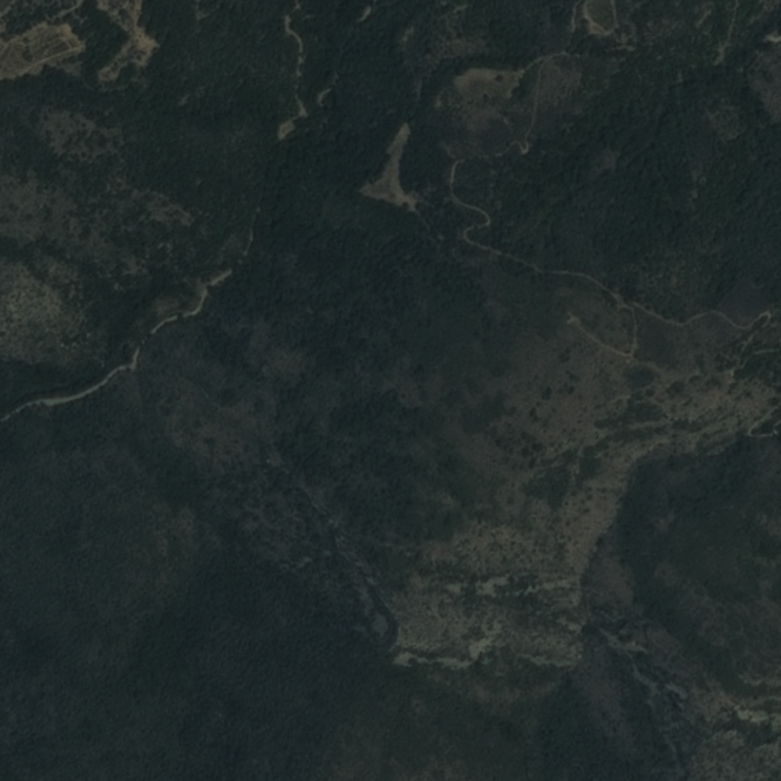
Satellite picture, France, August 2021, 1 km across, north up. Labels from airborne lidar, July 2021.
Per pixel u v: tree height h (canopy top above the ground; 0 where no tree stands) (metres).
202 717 9
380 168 7
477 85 0
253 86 11
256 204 7
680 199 8
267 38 8
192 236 8
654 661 0
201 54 5
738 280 7
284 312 8
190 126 9
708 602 0
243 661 6
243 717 7
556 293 0
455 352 0
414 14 8
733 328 0
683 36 6
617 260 7
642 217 7
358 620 7
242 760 6
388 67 6
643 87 7
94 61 9
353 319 8
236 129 6
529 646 0
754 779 0
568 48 5
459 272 7
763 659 0
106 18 7
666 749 7
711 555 0
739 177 9
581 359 0
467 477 0
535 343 0
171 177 9
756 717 0
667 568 0
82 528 6
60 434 8
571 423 0
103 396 6
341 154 18
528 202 13
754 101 10
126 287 7
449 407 0
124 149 6
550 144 11
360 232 12
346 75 7
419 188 7
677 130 6
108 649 6
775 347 7
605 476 0
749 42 6
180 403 0
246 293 7
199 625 7
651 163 14
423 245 8
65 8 8
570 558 0
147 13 7
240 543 8
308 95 10
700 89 10
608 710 0
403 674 7
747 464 6
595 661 0
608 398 0
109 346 9
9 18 6
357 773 0
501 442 8
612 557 0
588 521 0
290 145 6
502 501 0
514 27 6
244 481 8
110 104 6
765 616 0
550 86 0
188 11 9
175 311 0
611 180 9
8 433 6
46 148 6
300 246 9
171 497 8
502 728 7
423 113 8
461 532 0
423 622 0
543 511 0
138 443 7
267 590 6
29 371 11
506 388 0
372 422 6
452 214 6
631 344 0
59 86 7
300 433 9
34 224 0
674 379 0
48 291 0
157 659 8
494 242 7
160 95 10
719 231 9
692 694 0
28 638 6
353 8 13
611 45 7
